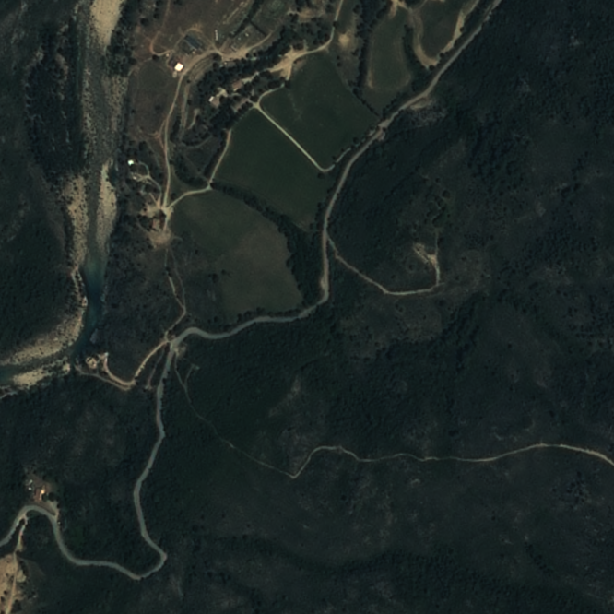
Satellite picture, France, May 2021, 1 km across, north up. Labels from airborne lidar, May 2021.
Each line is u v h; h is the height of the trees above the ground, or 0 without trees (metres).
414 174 9
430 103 0
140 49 0
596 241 12
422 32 0
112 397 6
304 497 7
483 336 12
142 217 9
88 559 8
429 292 0
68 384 9
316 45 10
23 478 6
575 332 15
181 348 0
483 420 10
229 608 0
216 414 6
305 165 0
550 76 12
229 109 13
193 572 8
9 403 21
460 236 0
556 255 9
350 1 0
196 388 6
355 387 13
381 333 0
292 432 10
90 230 0
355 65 0
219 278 11
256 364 9
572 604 8
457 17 0
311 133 0
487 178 20
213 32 0
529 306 9
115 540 8
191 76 0
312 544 0
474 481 0
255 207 14
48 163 11
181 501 8
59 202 8
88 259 0
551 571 13
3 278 10
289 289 0
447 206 11
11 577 0
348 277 6
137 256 0
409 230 7
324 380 9
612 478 0
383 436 5
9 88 6
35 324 9
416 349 21
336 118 0
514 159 16
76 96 10
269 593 0
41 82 17
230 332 9
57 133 9
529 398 7
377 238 8
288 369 8
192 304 0
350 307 7
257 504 0
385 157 8
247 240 0
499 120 19
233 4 0
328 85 0
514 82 6
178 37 0
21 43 8
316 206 0
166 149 0
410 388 7
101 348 13
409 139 7
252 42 0
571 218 7
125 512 7
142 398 7
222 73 6
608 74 11
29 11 9
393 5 6
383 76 0
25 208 9
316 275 6
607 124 9
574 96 10
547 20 7
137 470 10
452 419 8
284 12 0
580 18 6
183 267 0
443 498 0
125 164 12
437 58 0
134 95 0
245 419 6
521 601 12
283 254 0
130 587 6
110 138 0
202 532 23
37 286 10
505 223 6
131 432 8
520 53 6
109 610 9
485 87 7
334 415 7
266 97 0
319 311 16
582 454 6
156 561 11
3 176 9
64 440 6
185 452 7
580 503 10
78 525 8
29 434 6
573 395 8
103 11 0
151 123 0
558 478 0
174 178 0
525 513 0
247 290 0
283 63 0
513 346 11
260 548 9
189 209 0
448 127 8
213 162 10
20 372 0
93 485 14
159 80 0
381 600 6
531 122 9
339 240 6
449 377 6
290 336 8
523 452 0
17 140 7
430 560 12
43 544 6
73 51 9
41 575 0
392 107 9
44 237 8
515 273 15
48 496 8
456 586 10
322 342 10
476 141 13
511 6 11
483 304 7
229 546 7
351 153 6
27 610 0
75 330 0
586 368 8
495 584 16
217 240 0
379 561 13
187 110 0
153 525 10
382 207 9
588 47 11
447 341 23
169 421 7
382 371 7
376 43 0
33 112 14
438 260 0
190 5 0
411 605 7
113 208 0
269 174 0
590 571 6
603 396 8
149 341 6
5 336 13
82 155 9
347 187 6
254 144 0
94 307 0
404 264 7
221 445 7
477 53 10
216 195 0
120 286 6
